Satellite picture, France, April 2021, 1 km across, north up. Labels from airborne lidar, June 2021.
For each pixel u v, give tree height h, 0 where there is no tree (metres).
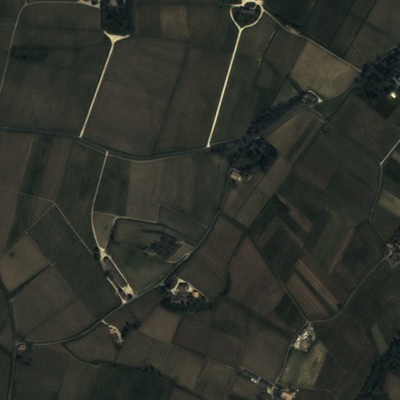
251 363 0
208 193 0
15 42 0
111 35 0
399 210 0
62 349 0
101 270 0
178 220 0
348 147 0
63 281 0
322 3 0
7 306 0
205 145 0
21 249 0
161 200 0
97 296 0
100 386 0
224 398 0
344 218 0
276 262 0
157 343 0
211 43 0
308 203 0
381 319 0
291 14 0
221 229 0
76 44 0
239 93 0
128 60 0
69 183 0
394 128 0
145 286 0
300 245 0
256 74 0
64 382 0
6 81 0
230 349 0
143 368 0
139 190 0
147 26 0
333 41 0
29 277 0
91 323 0
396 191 0
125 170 0
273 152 16
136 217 0
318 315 0
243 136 0
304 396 0
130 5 21
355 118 0
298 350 0
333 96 0
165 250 9
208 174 0
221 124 0
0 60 0
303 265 0
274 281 0
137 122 0
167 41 0
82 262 0
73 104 0
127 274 0
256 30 0
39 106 0
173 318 0
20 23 0
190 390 0
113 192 0
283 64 0
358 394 0
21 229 0
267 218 0
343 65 0
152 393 0
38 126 0
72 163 0
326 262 0
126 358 0
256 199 0
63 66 0
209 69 0
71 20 0
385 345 0
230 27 0
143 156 0
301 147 0
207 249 0
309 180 0
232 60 0
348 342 0
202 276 0
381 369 16
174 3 0
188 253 0
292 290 0
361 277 0
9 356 0
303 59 0
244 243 0
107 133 0
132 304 0
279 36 0
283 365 0
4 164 0
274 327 0
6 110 0
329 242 0
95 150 0
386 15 0
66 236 0
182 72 0
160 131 0
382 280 0
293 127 0
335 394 0
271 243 0
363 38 0
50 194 0
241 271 0
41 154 0
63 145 0
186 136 0
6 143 0
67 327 0
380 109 0
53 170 0
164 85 0
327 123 0
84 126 0
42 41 0
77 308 0
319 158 0
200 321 0
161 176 0
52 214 0
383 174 0
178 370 0
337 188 0
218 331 0
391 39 0
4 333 0
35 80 0
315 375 0
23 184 0
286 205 0
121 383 0
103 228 0
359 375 0
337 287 0
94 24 0
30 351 9
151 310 0
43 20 0
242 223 0
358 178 0
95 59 0
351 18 0
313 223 0
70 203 0
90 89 0
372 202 0
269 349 0
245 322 0
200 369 0
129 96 0
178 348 0
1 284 0
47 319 0
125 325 0
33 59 0
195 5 0
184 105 0
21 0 0
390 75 19
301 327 0
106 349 0
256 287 0
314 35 0
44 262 0
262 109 0
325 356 0
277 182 0
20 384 0
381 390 22
